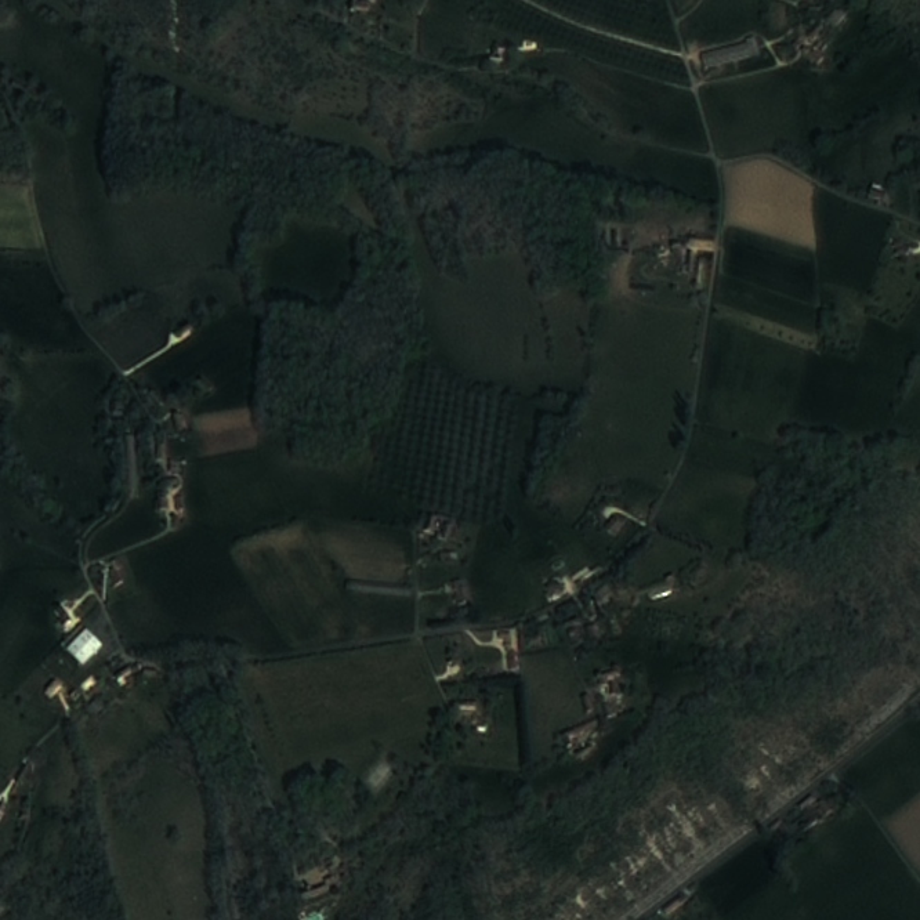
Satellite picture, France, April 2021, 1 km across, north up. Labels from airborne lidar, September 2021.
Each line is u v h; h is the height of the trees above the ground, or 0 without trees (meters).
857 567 22
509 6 7
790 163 13
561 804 17
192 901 0
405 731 0
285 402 20
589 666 0
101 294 0
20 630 0
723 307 0
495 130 0
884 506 19
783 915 0
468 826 16
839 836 0
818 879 0
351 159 13
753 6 0
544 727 0
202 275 0
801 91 0
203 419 0
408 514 0
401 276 28
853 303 0
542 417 12
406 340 21
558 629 12
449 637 0
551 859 7
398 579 0
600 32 7
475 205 14
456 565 0
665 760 23
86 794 15
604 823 19
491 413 13
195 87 0
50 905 13
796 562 24
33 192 0
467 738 8
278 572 0
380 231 15
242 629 0
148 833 0
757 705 19
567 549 0
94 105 0
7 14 19
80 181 0
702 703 18
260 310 18
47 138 0
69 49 0
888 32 8
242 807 23
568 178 24
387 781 0
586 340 19
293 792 22
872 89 0
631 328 0
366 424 24
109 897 16
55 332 0
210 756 27
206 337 0
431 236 14
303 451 21
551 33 8
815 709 16
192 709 27
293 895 12
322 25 9
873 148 0
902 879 0
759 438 0
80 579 8
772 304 0
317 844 21
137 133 23
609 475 0
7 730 0
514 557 0
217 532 0
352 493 0
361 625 0
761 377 0
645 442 0
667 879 0
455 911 18
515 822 15
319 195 26
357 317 18
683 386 0
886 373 0
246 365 0
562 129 0
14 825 0
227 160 20
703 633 8
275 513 0
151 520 0
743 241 0
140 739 0
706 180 0
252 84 12
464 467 12
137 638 0
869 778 0
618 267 0
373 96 14
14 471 21
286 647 0
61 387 0
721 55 0
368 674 0
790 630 24
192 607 0
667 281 0
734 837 0
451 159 17
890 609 21
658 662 0
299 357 21
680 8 0
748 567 9
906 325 0
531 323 0
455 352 0
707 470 0
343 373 21
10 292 0
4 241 0
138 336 0
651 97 0
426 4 12
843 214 0
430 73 13
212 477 0
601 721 12
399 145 19
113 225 0
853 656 22
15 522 0
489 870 18
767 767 0
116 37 13
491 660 0
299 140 12
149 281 0
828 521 10
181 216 0
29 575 0
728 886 0
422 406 9
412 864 16
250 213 19
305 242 0
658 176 0
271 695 0
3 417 8
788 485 16
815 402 0
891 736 0
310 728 0
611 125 13
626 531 0
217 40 14
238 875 15
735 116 0
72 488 0
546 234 26
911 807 0
